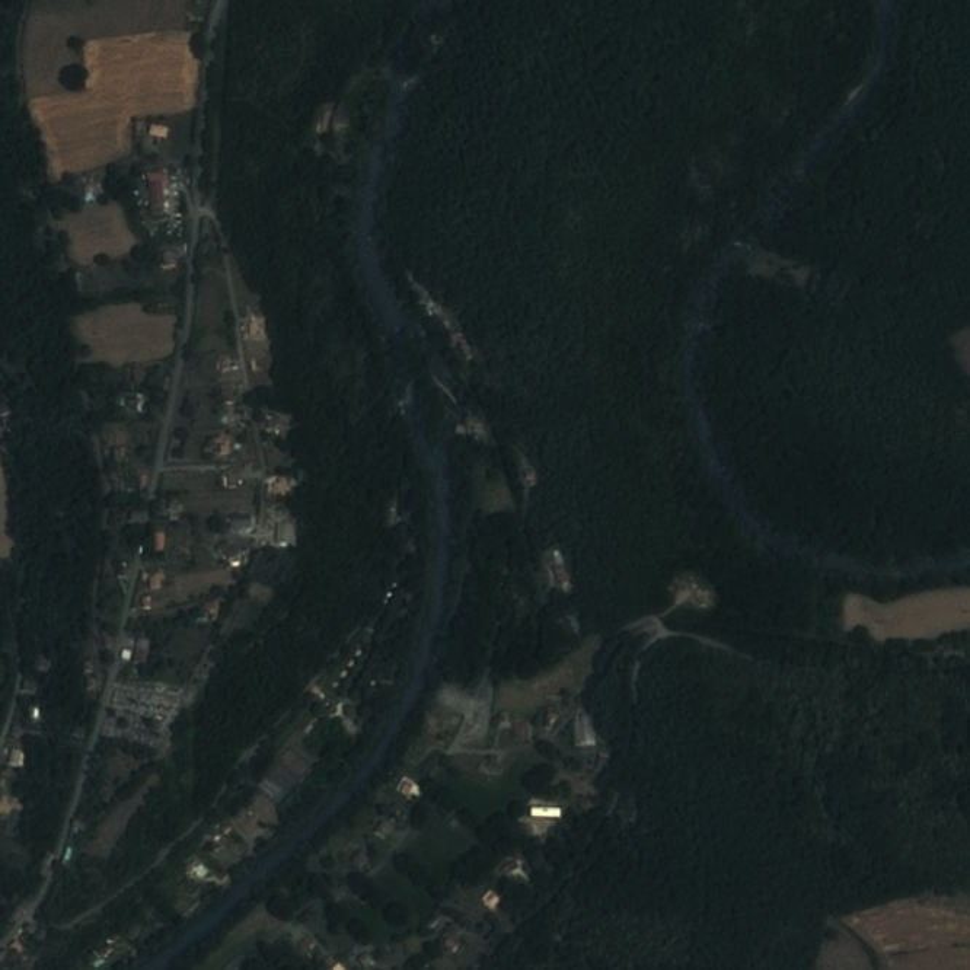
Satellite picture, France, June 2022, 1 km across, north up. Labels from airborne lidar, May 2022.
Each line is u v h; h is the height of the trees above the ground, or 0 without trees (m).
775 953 6
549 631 21
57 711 23
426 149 13
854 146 22
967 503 26
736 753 15
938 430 6
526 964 18
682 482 19
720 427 21
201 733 11
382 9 11
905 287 14
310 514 19
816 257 17
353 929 16
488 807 0
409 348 25
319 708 14
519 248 12
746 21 20
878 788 14
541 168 14
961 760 13
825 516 27
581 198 8
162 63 0
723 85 17
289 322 14
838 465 23
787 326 20
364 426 15
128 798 13
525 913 17
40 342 11
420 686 0
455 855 0
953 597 0
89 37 0
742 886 17
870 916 0
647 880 20
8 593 25
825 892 12
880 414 10
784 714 15
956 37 15
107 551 15
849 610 0
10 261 18
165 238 0
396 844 0
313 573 20
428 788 20
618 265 12
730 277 25
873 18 30
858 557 32
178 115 0
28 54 0
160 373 12
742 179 10
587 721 0
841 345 23
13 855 6
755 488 27
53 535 13
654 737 21
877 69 0
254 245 14
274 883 14
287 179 20
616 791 17
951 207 18
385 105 12
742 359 29
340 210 28
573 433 11
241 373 0
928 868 12
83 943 8
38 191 8
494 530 27
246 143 12
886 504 28
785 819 16
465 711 0
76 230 0
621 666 19
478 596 18
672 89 20
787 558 31
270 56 7
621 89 23
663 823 20
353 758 27
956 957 0
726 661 17
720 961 10
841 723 13
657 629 0
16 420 14
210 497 0
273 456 0
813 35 14
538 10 17
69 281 18
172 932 10
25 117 10
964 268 14
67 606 13
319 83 18
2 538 0
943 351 16
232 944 0
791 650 20
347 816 16
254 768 13
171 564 0
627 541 12
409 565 24
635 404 15
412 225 18
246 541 0
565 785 7
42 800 14
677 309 22
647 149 14
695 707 17
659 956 17
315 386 18
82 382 16
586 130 19
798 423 24
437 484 0
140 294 12
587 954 18
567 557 8
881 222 21
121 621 0
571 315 10
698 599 0
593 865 16
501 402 7
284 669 14
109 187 14
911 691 18
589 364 7
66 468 17
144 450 11
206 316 0
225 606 13
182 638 0
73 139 0
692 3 25
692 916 21
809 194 26
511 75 13
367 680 14
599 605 11
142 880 9
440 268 8
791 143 22
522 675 16
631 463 20
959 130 18
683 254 15
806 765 17
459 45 21
